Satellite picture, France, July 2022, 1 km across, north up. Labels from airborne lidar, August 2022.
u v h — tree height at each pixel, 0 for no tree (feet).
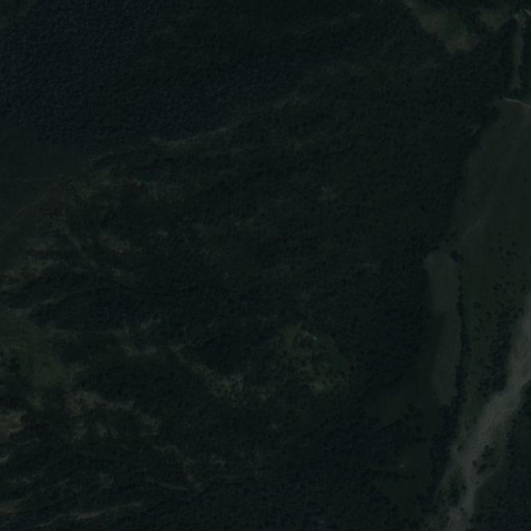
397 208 29
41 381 0
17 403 32
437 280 0
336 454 68
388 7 28
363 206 25
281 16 56
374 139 41
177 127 34
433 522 0
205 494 26
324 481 30
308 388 54
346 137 44
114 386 36
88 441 20
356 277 69
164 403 55
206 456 19
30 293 19
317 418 31
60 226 0
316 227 23
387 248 21
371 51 35
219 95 56
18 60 40
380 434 69
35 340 0
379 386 88
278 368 33
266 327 26
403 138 56
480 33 39
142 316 30
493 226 0
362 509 32
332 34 32
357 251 62
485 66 74
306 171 22
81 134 35
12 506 0
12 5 49
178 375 55
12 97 33
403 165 46
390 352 35
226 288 33
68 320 30
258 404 23
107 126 25
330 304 45
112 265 20
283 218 31
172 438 45
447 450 38
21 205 0
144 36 33
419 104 32
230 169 22
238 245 42
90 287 34
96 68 48
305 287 29
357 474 68
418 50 38
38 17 51
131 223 33
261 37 45
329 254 18
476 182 0
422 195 51
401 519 25
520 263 0
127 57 49
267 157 27
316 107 51
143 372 32
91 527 41
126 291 34
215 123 21
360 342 27
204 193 63
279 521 26
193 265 21
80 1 37
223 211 21
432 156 25
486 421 0
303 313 50
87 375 23
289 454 35
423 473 0
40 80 47
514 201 0
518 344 0
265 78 58
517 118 0
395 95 29
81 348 22
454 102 24
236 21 62
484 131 19
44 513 38
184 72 34
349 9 37
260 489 47
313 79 19
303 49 24
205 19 38
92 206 20
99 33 56
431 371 0
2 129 0
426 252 51
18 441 24
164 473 43
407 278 67
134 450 21
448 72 18
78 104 35
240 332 34
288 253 29
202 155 37
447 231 36
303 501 70
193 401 25
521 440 0
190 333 61
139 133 37
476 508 0
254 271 29
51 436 53
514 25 74
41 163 0
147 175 22
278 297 21
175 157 26
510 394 0
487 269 0
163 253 42
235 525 50
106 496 64
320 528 28
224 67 51
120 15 62
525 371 0
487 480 0
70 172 0
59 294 21
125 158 32
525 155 0
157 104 69
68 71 64
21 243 0
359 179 52
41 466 44
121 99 47
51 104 22
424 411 0
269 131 26
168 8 47
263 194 30
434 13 0
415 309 72
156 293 24
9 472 54
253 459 25
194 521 29
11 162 0
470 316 0
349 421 59
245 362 38
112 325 40
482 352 0
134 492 50
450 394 0
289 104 29
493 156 0
